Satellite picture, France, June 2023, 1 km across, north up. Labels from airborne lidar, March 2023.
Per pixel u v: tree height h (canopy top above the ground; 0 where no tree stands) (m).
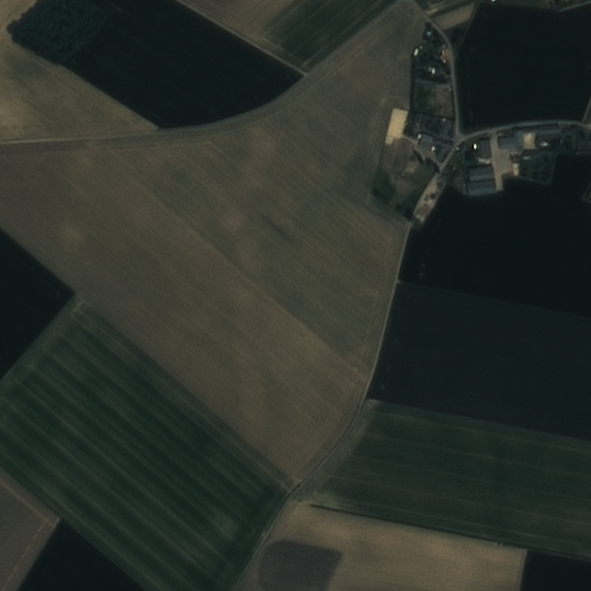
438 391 0
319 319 0
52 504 0
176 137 0
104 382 0
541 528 0
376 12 0
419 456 0
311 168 0
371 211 0
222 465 0
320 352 0
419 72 6
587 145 0
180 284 0
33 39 20
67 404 0
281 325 0
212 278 0
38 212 0
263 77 0
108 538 0
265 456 0
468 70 0
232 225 0
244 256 0
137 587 0
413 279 0
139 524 0
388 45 0
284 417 0
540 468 0
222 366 0
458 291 0
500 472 0
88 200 0
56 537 0
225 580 0
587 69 0
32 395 0
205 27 0
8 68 0
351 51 0
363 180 0
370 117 0
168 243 0
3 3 0
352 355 0
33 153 0
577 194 0
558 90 0
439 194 0
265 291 0
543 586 0
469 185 0
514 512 0
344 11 0
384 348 0
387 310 0
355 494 0
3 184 0
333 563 0
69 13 22
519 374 0
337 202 0
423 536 0
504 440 0
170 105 0
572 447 0
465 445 0
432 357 0
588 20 0
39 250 0
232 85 0
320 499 0
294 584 0
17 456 0
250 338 0
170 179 0
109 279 0
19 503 0
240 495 0
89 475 0
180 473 0
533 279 0
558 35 0
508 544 0
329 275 0
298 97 0
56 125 0
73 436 0
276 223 0
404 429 0
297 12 0
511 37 0
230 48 0
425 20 0
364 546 0
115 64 0
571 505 0
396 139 0
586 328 0
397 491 0
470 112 0
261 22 0
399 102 0
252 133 0
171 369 0
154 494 0
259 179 0
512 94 0
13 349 0
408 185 0
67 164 0
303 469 0
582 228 0
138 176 0
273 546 0
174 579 0
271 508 0
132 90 0
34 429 0
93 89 0
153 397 0
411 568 0
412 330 0
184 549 0
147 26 0
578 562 0
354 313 0
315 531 0
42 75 0
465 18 0
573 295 0
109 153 0
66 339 0
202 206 0
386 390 0
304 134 0
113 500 0
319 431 0
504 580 0
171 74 0
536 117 0
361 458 0
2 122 0
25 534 0
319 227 0
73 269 0
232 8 0
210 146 0
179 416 0
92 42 0
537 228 0
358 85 0
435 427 0
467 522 0
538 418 0
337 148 0
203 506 0
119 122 0
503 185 0
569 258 0
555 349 0
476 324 0
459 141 0
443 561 0
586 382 0
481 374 0
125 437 0
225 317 0
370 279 0
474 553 0
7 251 0
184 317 0
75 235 0
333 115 0
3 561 0
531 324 0
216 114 0
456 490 0
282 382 0
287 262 0
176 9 0
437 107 0
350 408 0
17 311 0
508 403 0
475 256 0
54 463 0
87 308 0
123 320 0
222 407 0
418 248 0
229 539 0
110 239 0
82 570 0
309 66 0
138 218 0
